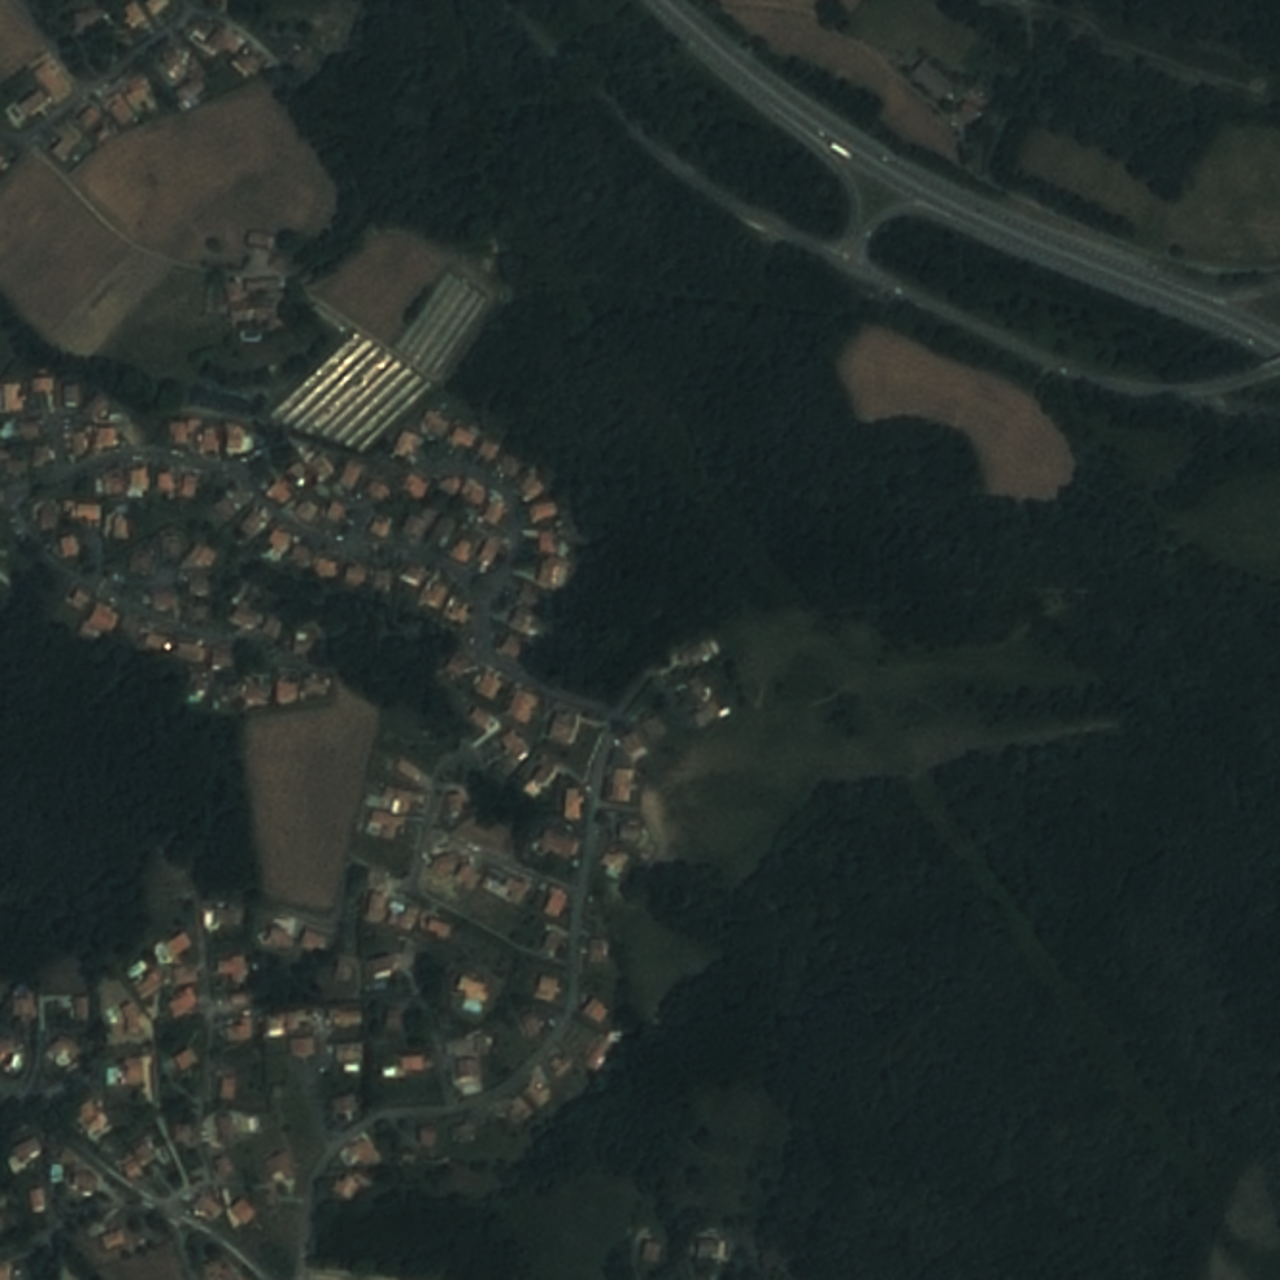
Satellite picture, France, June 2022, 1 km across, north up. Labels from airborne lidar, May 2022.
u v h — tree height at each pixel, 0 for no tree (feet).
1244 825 69
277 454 37
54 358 46
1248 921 49
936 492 71
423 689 52
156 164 0
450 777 20
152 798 66
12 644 60
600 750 0
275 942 0
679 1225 62
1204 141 65
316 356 41
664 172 33
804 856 37
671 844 0
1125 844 76
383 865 0
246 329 35
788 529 51
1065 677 0
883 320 24
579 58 92
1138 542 43
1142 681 69
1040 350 0
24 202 0
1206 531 0
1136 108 29
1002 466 0
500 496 0
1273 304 0
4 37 0
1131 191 0
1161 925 45
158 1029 26
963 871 75
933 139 0
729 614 42
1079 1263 40
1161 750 78
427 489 29
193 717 31
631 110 57
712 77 0
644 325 63
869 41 0
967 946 77
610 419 27
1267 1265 0
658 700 22
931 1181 58
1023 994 67
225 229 0
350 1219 29
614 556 65
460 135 63
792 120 0
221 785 61
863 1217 65
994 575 46
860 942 64
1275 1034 46
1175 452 0
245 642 39
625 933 0
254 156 0
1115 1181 54
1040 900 61
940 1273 57
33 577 57
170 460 0
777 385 65
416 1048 44
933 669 0
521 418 32
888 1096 32
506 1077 28
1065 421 30
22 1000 0
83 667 75
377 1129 30
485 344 34
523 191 33
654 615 65
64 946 69
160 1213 28
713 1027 80
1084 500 32
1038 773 61
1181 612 66
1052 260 0
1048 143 0
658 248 28
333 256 40
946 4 52
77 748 66
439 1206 29
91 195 0
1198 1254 31
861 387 0
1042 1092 30
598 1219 0
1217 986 32
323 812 0
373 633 49
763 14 0
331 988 0
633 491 83
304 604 55
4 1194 33
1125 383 0
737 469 49
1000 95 51
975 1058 63
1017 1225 58
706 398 34
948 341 39
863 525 74
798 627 0
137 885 65
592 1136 60
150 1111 37
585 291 28
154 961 36
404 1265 31
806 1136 50
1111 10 61
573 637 82
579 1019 25
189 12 0
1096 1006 49
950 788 38
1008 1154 64
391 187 27
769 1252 48
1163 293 0
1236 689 71
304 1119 0
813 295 51
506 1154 0
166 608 0
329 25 0
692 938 29
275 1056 0
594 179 47
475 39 49
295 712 0
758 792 0
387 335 0
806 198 52
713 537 74
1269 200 0
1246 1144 37
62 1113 58
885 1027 55
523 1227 0
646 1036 53
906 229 60
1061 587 35
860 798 65
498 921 0
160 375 0
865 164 0
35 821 67
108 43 75
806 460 47
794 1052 75
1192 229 0
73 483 20
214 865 35
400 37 64
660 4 0
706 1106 0
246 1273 27
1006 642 26
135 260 0
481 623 0
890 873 46
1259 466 30
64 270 0
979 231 0
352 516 32
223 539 28
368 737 0
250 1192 29
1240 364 60
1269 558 0
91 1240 0
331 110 23
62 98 0
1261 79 0
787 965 62
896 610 42
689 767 0
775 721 0
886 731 0
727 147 51
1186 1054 43
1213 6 19
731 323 36
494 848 0
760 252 30
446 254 0
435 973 48
